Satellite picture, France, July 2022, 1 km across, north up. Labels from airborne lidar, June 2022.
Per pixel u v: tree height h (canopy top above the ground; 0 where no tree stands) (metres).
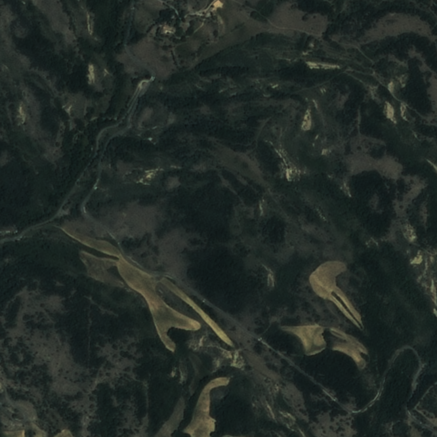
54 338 0
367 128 6
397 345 11
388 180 10
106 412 10
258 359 0
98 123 11
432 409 6
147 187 0
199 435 0
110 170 0
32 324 7
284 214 0
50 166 6
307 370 8
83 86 9
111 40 11
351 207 11
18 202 7
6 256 8
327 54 0
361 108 6
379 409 6
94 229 0
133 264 0
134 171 6
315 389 10
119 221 0
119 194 0
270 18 0
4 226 8
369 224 13
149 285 0
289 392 0
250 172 0
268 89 7
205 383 14
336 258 0
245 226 0
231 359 0
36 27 6
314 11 9
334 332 0
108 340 7
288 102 0
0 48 0
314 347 0
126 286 0
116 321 6
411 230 0
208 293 7
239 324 0
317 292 0
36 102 0
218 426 12
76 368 0
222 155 0
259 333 7
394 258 6
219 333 0
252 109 6
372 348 7
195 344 0
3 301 7
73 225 0
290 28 0
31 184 6
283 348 8
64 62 8
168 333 13
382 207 9
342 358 8
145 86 0
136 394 6
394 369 7
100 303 6
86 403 0
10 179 6
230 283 9
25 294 0
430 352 7
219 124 7
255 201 7
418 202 8
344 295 0
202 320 0
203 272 11
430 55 7
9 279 8
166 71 0
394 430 7
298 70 9
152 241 0
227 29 0
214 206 6
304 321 0
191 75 8
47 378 7
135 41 9
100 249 0
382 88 6
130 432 7
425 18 6
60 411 7
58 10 0
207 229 7
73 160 13
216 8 0
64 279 8
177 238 0
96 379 0
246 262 0
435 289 0
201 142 6
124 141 8
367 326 5
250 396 0
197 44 0
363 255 9
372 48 7
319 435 0
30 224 10
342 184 0
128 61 0
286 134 0
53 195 10
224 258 10
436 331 8
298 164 0
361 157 0
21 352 6
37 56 7
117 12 13
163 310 0
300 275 7
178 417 0
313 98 0
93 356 6
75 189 0
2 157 0
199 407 0
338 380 9
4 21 0
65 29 0
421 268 0
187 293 0
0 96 6
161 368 8
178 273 0
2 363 7
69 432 0
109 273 0
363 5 7
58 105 7
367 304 7
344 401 7
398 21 0
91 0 11
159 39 7
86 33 0
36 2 0
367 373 7
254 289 6
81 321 6
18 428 0
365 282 6
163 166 0
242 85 0
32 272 6
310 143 0
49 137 0
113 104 12
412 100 6
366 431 6
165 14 11
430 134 6
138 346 6
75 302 6
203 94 9
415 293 10
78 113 0
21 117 0
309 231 0
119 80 6
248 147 6
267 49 0
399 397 18
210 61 9
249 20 0
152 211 0
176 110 9
